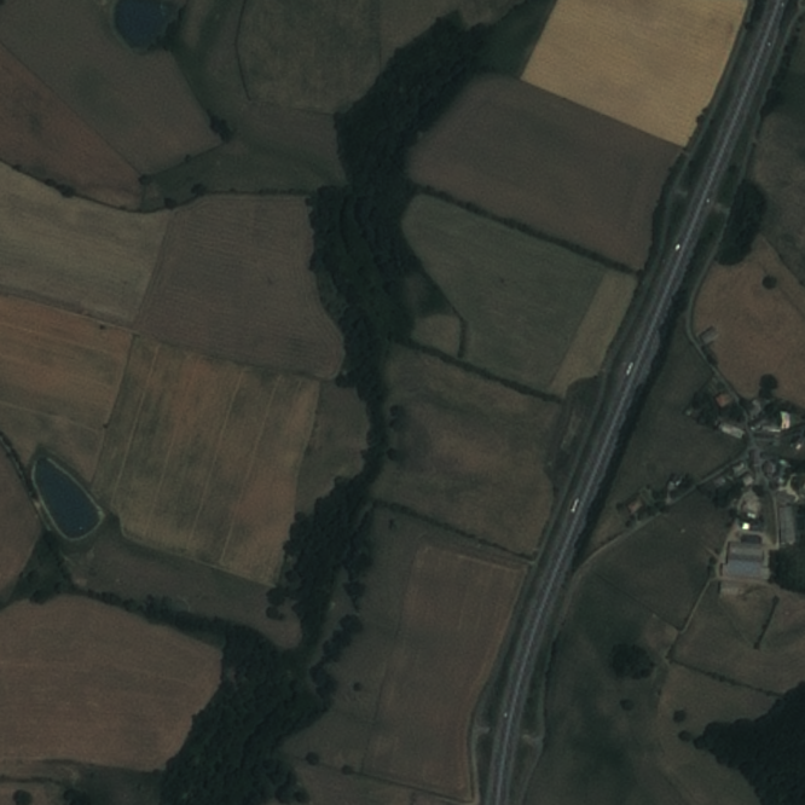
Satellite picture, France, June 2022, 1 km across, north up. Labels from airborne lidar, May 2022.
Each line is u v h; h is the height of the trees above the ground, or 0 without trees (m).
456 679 0
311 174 0
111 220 0
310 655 0
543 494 0
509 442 0
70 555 0
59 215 0
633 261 0
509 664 0
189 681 0
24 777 0
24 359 0
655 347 0
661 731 0
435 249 0
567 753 0
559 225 0
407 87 8
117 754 0
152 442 0
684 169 0
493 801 0
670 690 0
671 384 0
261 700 18
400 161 16
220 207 0
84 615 0
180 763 14
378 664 0
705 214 0
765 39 0
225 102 0
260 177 0
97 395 0
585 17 0
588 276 0
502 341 0
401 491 0
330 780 0
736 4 0
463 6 0
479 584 0
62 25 0
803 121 0
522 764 0
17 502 0
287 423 0
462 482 0
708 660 0
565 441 0
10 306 0
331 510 21
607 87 0
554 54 0
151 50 7
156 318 0
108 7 0
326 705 5
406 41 0
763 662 0
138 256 0
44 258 0
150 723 0
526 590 0
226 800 17
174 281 0
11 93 0
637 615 0
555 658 9
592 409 0
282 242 0
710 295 0
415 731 0
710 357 9
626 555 0
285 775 13
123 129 0
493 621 0
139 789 6
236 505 0
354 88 0
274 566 0
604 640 0
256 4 0
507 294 0
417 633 0
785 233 0
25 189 0
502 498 0
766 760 20
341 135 10
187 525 0
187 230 0
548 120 0
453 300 0
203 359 0
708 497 8
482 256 0
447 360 8
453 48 6
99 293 0
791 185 0
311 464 0
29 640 0
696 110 0
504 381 6
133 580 0
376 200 14
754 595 0
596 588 0
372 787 0
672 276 0
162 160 0
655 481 0
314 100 0
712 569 7
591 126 0
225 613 0
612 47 0
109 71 0
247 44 0
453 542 0
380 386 15
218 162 0
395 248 22
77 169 0
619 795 0
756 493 10
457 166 0
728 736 15
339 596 0
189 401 0
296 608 13
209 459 0
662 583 0
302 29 0
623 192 0
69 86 0
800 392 0
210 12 0
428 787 0
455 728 0
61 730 0
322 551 21
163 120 0
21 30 0
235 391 0
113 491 0
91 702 0
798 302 0
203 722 18
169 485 0
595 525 7
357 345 20
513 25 0
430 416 0
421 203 0
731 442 0
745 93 0
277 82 0
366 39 0
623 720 0
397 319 0
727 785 0
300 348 0
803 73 0
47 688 0
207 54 0
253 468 0
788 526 0
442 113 15
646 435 0
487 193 0
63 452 0
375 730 0
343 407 0
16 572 0
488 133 0
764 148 0
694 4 0
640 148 0
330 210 20
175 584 0
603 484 7
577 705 0
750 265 0
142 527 0
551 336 0
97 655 0
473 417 0
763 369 0
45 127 0
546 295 0
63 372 0
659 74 0
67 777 0
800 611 0
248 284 0
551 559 0
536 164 0
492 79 0
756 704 0
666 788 0
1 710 0
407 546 0
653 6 0
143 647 0
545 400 7
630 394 0
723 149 0
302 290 0
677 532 0
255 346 0
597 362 0
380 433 17
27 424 0
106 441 0
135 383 0
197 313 0
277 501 0
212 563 0
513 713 0
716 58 0
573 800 0
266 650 16
